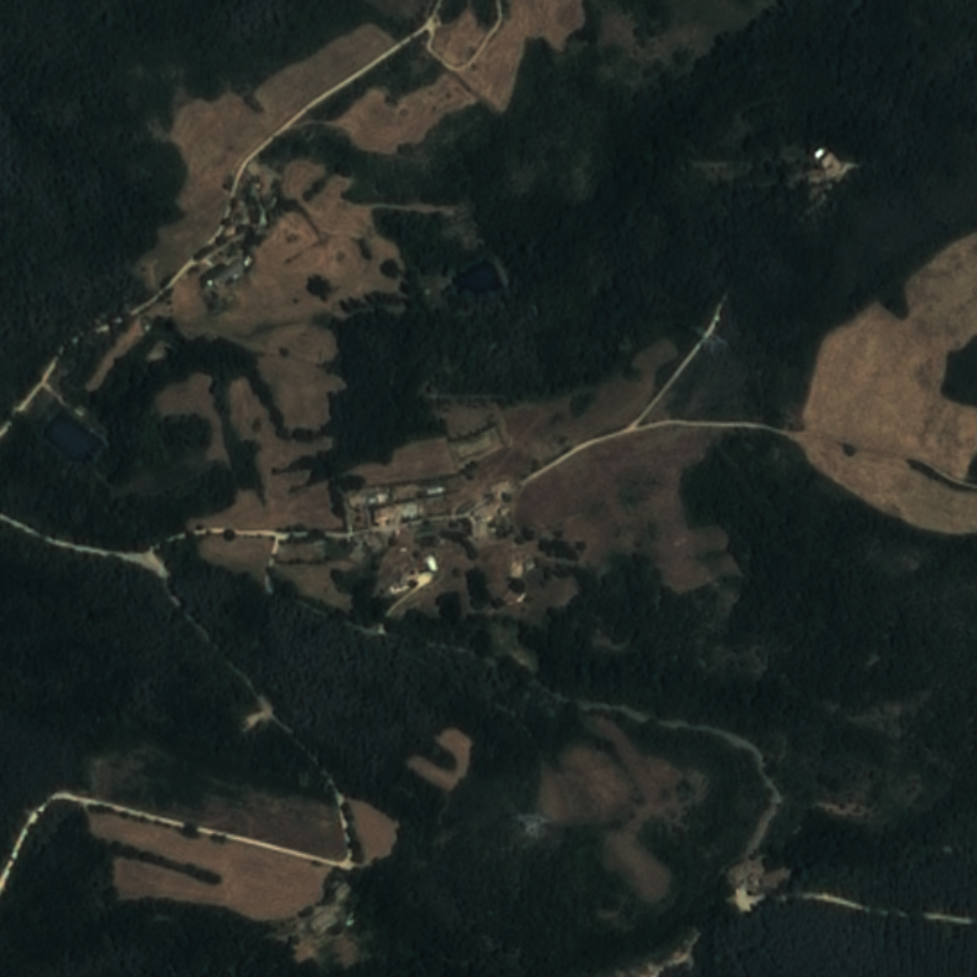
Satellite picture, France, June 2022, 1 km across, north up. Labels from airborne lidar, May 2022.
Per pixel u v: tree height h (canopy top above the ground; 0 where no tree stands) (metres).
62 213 10
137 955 14
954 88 14
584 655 11
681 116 16
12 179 11
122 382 11
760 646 9
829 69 11
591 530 0
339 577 11
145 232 11
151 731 8
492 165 14
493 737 14
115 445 13
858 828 6
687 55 7
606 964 20
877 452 0
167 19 8
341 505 6
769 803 8
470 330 12
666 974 9
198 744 12
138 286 17
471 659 13
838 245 6
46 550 14
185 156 0
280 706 13
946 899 16
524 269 20
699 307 8
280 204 10
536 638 20
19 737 17
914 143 6
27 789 15
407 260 8
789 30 10
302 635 10
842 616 17
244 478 10
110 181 8
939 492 0
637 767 0
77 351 8
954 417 0
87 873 13
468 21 0
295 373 0
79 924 14
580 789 0
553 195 9
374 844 0
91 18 9
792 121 6
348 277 0
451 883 11
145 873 0
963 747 11
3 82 9
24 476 8
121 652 18
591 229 9
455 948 19
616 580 13
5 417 6
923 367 0
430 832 11
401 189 6
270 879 0
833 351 0
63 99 8
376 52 0
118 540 13
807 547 12
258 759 14
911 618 12
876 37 17
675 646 9
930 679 12
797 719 8
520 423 0
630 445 0
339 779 9
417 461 0
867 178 7
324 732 11
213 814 0
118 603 19
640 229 15
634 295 14
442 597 10
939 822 13
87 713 17
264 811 0
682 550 0
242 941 16
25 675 14
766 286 14
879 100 14
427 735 8
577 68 9
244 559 0
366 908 10
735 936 17
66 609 20
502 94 0
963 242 0
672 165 10
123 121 7
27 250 10
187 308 0
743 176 8
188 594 20
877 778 14
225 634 14
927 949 17
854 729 10
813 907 14
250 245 7
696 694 9
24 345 8
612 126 12
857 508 9
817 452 0
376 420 13
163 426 12
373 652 14
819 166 8
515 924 18
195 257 7
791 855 16
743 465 9
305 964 10
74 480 11
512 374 6
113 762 0
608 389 0
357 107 0
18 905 13
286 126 0
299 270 0
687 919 14
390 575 0
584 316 11
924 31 17
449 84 0
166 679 17
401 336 15
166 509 10
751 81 13
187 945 17
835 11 11
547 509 0
